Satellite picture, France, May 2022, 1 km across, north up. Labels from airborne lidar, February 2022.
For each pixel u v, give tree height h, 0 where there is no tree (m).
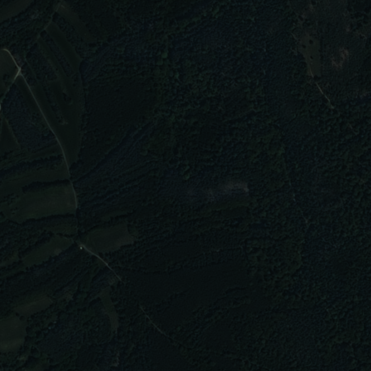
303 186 17
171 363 21
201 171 17
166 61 27
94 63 28
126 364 14
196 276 16
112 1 7
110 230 0
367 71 16
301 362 18
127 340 18
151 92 15
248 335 10
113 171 25
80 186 23
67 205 0
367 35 6
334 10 6
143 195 18
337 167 23
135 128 32
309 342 20
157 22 26
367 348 24
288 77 13
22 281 17
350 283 15
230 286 17
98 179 17
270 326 24
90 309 22
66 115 0
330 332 27
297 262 26
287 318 20
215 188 25
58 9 0
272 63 18
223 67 33
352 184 26
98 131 15
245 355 9
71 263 18
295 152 23
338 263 15
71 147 0
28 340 17
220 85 18
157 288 17
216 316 24
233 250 15
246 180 22
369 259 17
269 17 11
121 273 17
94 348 18
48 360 7
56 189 0
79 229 19
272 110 23
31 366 19
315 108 18
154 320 14
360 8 15
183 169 26
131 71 16
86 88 11
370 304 25
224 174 22
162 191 28
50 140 20
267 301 15
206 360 19
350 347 30
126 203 18
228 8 24
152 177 17
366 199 29
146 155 25
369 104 29
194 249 19
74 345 26
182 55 28
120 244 0
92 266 15
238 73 25
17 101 27
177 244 18
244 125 26
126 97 16
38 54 21
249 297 14
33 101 0
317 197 30
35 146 26
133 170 12
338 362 22
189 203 27
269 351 19
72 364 11
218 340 15
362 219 13
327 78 8
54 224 17
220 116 15
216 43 28
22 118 24
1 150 0
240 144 25
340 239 11
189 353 16
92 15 12
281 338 21
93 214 14
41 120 12
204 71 28
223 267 15
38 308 0
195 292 18
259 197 23
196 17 26
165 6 14
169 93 25
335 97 7
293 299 18
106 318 18
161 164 12
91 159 17
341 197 24
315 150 18
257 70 30
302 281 21
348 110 21
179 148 19
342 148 22
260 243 31
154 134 19
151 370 20
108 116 16
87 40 0
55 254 0
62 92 0
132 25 24
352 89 7
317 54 0
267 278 27
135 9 16
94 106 15
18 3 0
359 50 7
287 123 17
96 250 0
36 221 16
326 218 26
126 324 16
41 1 13
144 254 11
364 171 26
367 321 23
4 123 0
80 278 17
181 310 19
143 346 18
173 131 13
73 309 18
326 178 11
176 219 16
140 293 17
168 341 15
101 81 11
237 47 28
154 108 11
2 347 0
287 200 22
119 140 12
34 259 0
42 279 17
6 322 0
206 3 30
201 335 20
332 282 18
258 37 26
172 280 17
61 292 18
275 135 26
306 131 11
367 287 23
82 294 22
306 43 0
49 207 0
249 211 17
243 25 30
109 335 17
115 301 19
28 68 21
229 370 16
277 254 33
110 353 27
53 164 15
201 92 15
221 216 14
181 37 32
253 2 31
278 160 24
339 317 25
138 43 25
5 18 0
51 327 18
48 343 25
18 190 0
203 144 16
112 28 16
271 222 27
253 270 29
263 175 30
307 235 17
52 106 16
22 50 15
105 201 17
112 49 20
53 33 0
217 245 10
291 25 17
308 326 22
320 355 18
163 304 16
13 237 16
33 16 9
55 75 18
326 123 19
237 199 27
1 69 0
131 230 13
